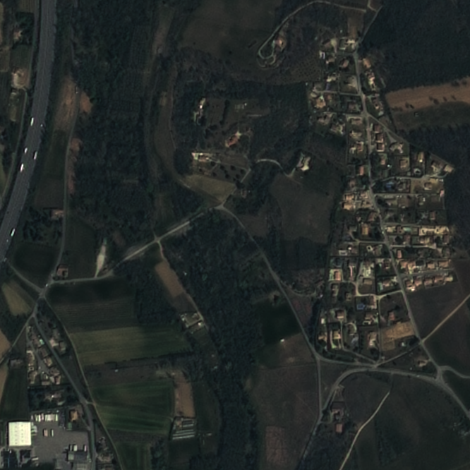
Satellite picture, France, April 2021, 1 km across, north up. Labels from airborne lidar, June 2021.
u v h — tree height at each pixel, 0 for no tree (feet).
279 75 29
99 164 107
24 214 50
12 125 32
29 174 0
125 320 0
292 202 0
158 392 0
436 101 33
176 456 0
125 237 31
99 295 0
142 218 107
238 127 36
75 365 0
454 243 48
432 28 31
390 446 23
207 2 0
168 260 50
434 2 19
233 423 61
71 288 0
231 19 0
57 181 0
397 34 35
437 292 0
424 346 0
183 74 32
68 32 27
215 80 37
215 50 0
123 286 0
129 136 98
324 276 30
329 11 19
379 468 0
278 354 0
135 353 0
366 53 28
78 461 0
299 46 28
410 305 0
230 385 49
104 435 0
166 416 0
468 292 0
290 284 37
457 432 0
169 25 0
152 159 106
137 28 105
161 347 0
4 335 21
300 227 0
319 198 0
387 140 0
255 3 0
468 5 30
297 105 19
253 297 89
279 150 38
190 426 0
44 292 0
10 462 0
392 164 0
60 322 28
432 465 0
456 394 0
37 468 0
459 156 35
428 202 0
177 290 0
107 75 64
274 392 0
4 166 45
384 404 0
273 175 43
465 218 52
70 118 0
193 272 54
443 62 33
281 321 0
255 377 0
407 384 0
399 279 0
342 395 0
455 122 0
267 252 43
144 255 0
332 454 29
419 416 0
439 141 49
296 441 0
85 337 0
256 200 45
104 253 0
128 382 0
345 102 47
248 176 0
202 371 41
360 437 0
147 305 31
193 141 22
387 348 0
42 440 0
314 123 23
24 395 0
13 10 40
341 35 29
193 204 94
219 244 97
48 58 0
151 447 0
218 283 53
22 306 0
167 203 0
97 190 82
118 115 113
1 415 0
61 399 31
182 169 61
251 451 65
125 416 0
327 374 0
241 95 33
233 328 78
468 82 20
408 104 31
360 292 0
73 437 0
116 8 48
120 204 97
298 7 24
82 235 0
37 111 0
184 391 0
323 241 0
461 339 0
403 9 31
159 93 26
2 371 0
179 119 29
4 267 51
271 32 0
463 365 0
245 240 65
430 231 0
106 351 0
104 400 0
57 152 0
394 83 31
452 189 25
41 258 0
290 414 0
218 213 26
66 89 0
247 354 73
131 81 111
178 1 101
